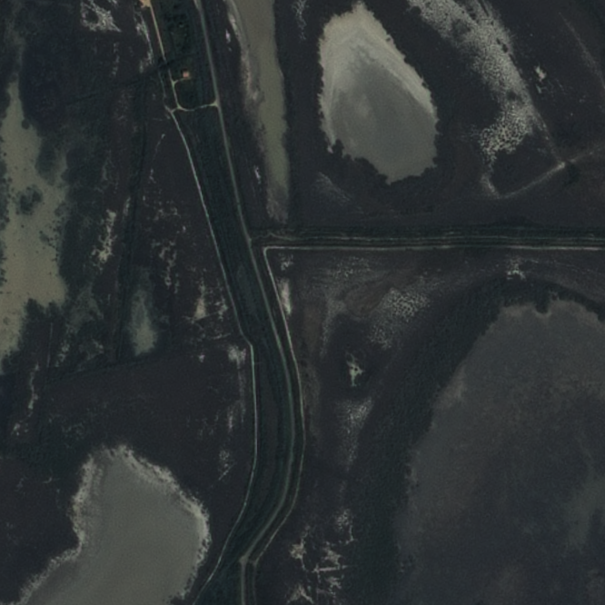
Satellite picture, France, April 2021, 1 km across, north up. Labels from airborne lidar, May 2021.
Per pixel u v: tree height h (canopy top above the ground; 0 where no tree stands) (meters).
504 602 0
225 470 0
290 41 0
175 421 0
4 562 0
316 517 0
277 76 0
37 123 0
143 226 0
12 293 0
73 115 0
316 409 0
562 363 0
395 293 0
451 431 0
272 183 0
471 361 0
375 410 0
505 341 0
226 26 0
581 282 0
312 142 0
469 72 0
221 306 0
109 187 0
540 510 0
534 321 0
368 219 0
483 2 0
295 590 0
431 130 0
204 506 0
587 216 0
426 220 0
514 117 0
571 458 0
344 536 0
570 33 0
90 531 0
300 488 0
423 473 0
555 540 0
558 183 0
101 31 0
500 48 0
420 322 0
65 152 0
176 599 0
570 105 0
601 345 0
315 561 0
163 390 0
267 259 0
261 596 0
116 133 0
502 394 0
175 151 0
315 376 0
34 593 0
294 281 0
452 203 0
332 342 0
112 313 0
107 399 0
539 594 0
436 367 6
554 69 0
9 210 0
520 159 0
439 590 0
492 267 0
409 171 0
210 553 0
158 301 0
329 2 0
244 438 0
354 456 0
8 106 0
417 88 0
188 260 0
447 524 0
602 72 0
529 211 0
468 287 0
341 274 0
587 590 0
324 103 0
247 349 0
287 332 0
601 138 0
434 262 0
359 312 0
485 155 0
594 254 0
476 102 0
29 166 0
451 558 0
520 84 0
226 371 0
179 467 0
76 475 0
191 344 0
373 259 0
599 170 0
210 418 0
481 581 0
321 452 0
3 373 0
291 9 0
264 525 0
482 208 0
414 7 0
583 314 0
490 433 0
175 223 0
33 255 0
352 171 0
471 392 0
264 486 0
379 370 0
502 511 0
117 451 0
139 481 0
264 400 0
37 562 0
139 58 0
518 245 0
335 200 0
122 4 0
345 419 0
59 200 0
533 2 0
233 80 0
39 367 0
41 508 0
